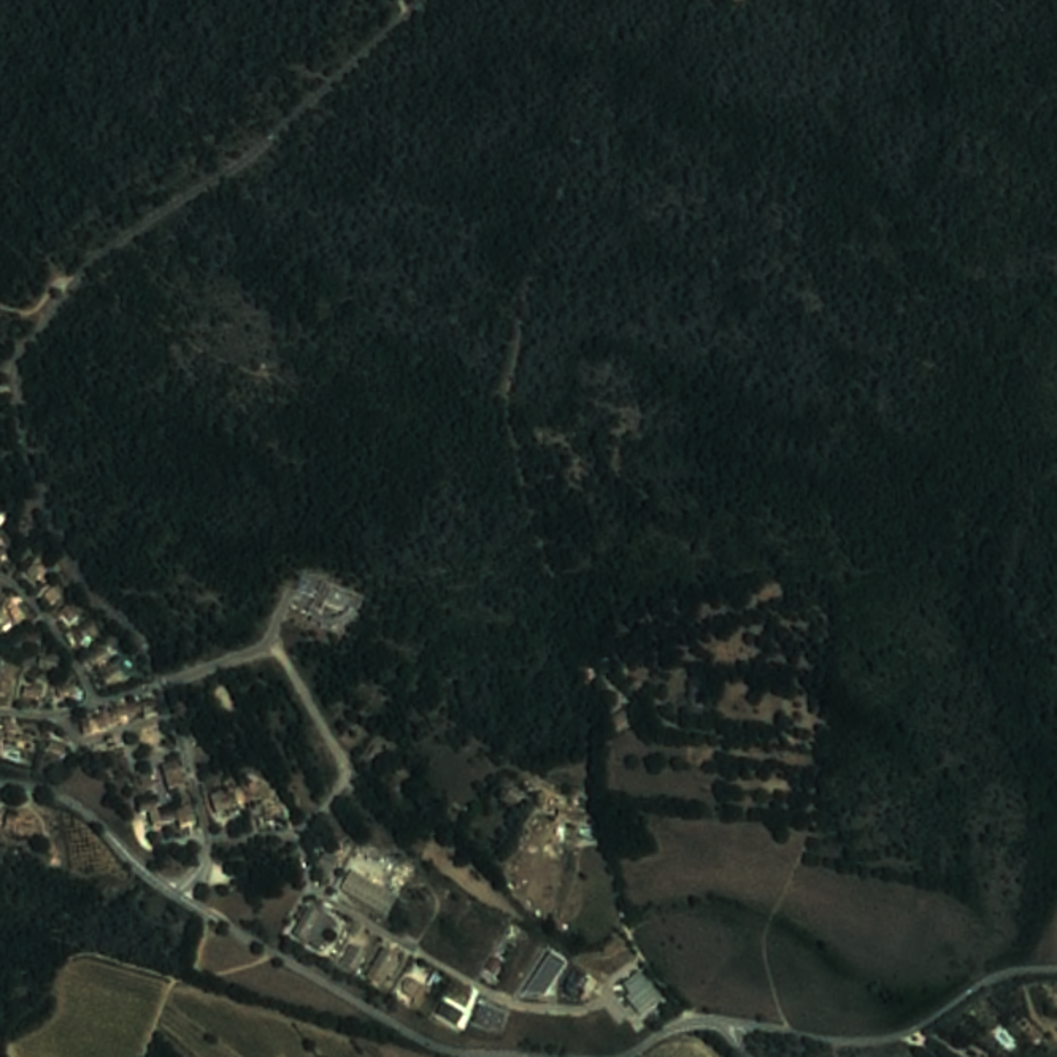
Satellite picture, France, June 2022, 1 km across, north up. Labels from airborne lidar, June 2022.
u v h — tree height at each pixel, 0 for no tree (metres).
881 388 18
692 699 7
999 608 12
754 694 14
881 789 12
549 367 15
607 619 8
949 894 8
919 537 12
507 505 13
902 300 8
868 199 13
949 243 15
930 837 12
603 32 16
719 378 14
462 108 11
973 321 18
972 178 6
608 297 17
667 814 13
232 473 13
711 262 7
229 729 14
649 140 16
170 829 11
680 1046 0
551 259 14
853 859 16
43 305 0
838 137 12
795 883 0
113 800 14
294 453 10
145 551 12
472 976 0
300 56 6
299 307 8
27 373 12
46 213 22
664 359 12
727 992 0
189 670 0
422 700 14
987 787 9
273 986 0
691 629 16
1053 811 9
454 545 13
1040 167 8
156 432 16
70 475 9
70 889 7
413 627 11
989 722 7
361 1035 10
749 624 17
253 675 17
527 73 20
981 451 14
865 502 14
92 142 21
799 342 16
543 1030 0
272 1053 0
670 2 15
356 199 7
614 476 14
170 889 0
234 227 10
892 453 12
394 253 14
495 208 11
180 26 15
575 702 13
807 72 17
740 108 12
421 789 14
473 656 10
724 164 11
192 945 12
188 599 11
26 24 16
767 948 0
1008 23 14
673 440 10
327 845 14
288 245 14
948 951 0
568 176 14
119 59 16
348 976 13
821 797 11
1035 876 7
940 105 10
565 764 8
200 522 8
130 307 12
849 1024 0
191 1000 0
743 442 13
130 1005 0
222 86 8
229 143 16
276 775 16
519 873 0
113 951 18
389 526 15
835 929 0
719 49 13
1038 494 6
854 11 14
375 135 6
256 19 8
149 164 19
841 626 17
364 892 0
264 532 15
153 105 15
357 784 14
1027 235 14
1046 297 12
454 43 15
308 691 0
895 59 17
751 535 7
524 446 11
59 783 19
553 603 14
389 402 8
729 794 16
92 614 6
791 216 18
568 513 16
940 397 9
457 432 14
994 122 9
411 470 12
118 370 8
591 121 15
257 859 15
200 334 7
